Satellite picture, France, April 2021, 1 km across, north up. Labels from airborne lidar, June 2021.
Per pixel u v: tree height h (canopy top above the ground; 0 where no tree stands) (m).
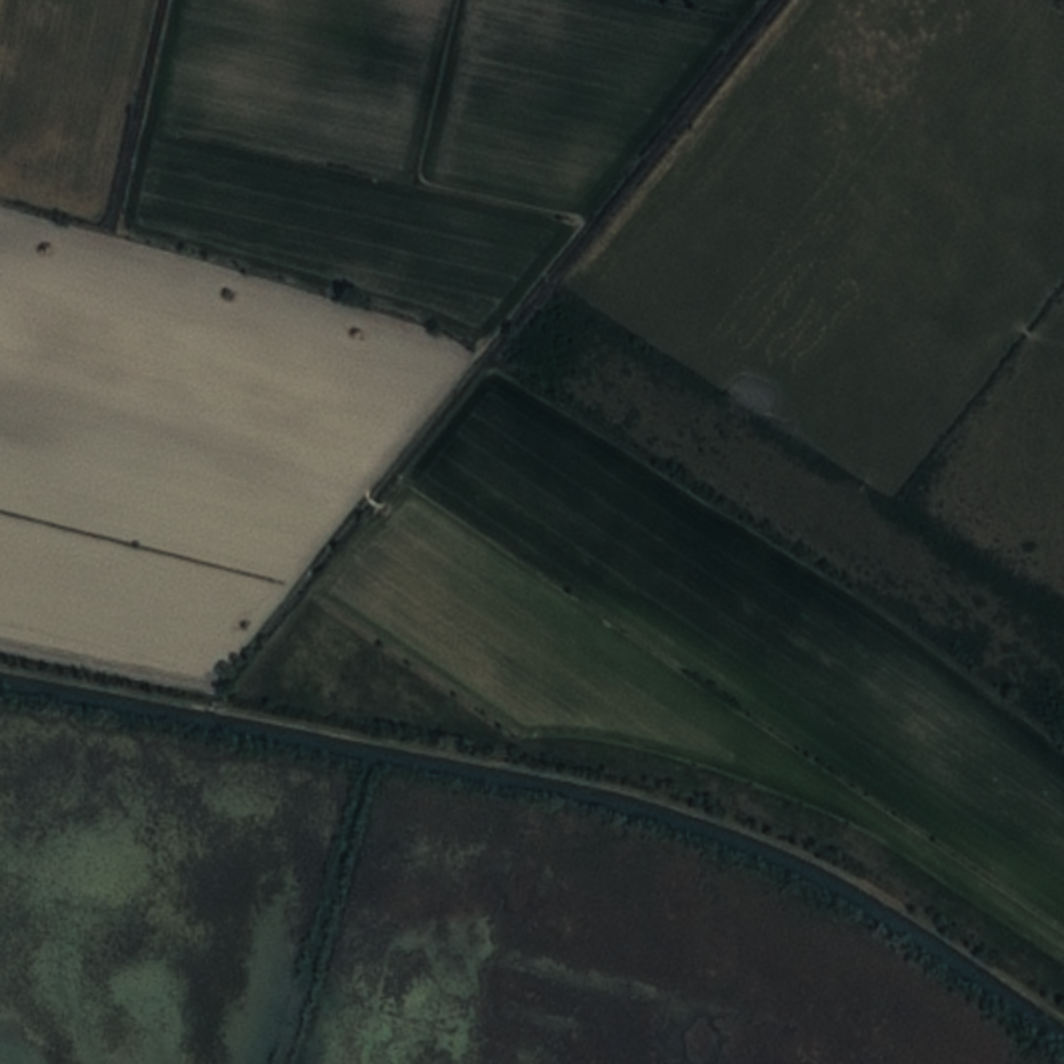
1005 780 0
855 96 0
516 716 0
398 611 0
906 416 0
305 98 0
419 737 16
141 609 0
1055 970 0
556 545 0
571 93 0
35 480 0
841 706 0
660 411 0
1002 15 0
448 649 0
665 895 0
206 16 0
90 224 6
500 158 0
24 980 0
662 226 0
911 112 0
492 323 0
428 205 0
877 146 0
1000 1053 0
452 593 0
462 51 0
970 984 12
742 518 7
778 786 0
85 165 0
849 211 0
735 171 0
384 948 0
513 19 0
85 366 0
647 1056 0
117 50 0
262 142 0
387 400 0
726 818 15
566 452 0
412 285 0
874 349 0
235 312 0
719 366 0
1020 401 0
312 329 0
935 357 0
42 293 0
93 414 0
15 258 0
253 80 0
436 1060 0
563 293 8
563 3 0
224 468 0
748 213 0
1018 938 0
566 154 0
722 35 0
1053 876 0
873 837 0
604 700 0
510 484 0
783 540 11
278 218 0
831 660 0
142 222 0
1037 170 0
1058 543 0
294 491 0
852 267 0
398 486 0
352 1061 0
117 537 0
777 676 0
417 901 0
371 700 0
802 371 0
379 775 8
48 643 0
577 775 14
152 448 0
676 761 0
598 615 0
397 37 0
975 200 0
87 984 0
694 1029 0
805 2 0
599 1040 0
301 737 0
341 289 12
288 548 0
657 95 0
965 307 0
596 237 6
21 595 0
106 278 0
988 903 0
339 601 0
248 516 0
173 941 0
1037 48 0
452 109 0
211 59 0
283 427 0
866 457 0
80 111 0
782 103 0
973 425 0
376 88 0
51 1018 0
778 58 0
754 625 0
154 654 0
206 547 0
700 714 0
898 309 0
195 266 0
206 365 0
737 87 0
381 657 0
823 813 0
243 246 0
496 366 6
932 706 0
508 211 0
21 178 0
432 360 0
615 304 0
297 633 0
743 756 0
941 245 0
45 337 0
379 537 0
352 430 0
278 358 0
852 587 7
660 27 0
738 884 0
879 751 0
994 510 0
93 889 0
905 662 0
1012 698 13
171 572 0
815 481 0
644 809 0
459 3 0
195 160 0
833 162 0
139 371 0
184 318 0
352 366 0
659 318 0
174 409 0
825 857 14
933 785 0
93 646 0
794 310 0
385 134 0
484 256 0
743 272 0
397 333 0
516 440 0
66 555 0
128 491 0
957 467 0
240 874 0
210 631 0
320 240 0
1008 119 0
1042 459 0
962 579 0
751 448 0
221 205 0
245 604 0
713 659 0
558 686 0
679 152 0
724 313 0
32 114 0
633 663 0
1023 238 0
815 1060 0
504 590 0
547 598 0
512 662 0
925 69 0
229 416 0
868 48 0
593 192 0
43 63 0
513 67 0
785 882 5
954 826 0
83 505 0
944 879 0
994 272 0
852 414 0
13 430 0
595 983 0
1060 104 0
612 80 0
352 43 0
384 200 0
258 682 0
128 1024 0
